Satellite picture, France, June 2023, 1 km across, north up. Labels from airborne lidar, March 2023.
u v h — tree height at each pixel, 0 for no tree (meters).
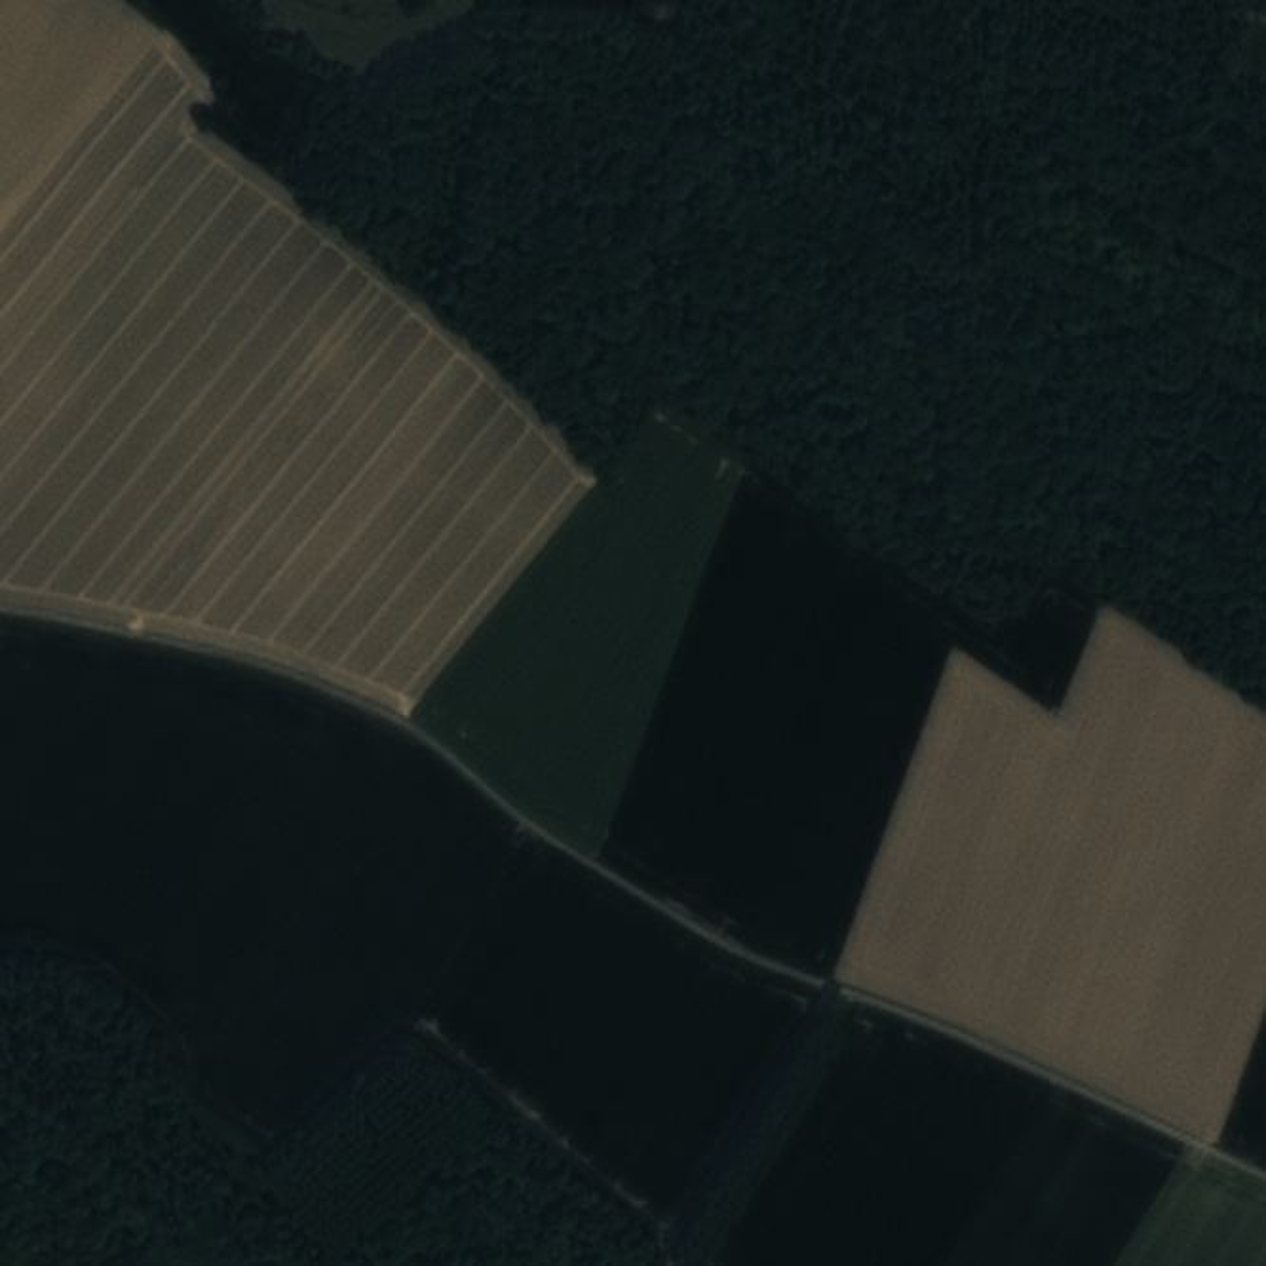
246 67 0
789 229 26
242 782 0
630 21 18
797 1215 0
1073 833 0
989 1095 0
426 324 0
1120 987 0
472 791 0
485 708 0
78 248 0
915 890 0
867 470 32
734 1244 0
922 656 0
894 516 23
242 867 0
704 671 0
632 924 0
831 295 25
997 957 0
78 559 0
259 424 0
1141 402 29
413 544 0
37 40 0
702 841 0
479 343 16
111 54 0
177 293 0
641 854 0
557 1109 0
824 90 19
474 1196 25
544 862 0
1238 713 0
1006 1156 0
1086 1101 0
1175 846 0
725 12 23
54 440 0
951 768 0
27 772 0
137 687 0
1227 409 27
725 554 0
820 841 0
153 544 0
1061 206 23
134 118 0
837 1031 27
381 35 0
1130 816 0
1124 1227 0
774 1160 0
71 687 0
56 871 0
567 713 0
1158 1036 0
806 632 0
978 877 0
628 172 21
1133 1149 0
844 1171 0
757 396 13
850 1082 0
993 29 26
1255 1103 0
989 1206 0
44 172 0
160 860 0
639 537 0
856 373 34
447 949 0
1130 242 19
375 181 31
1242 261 14
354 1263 18
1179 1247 0
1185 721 0
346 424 0
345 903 0
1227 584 26
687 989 0
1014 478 29
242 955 0
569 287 32
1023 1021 0
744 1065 0
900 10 25
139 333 0
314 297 0
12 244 0
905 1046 0
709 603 0
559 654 0
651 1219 0
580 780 0
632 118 32
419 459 0
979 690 0
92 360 0
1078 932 0
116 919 0
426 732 0
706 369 32
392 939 0
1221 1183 0
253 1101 0
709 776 0
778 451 24
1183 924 0
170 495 0
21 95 0
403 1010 0
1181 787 0
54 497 0
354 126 23
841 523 23
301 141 18
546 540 0
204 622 0
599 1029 0
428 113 29
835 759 0
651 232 26
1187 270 16
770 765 0
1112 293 34
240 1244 22
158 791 0
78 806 0
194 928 0
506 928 0
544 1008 0
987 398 28
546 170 29
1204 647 20
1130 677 0
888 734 0
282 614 0
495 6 13
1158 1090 0
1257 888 0
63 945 0
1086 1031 0
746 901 0
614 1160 0
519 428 0
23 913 0
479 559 0
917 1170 0
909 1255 0
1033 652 0
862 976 0
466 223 31
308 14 0
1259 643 29
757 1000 0
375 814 0
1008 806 0
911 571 10
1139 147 16
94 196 0
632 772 0
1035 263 37
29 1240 21
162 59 0
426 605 0
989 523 25
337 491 0
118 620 0
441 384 0
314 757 0
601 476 20
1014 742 0
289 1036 0
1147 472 32
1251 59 0
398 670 0
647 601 0
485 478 0
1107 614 0
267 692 0
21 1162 33
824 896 0
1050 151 14
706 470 0
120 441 0
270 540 0
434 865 0
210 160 0
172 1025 0
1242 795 0
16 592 0
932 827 0
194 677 0
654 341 26
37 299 0
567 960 0
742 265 30
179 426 0
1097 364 31
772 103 24
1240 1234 0
